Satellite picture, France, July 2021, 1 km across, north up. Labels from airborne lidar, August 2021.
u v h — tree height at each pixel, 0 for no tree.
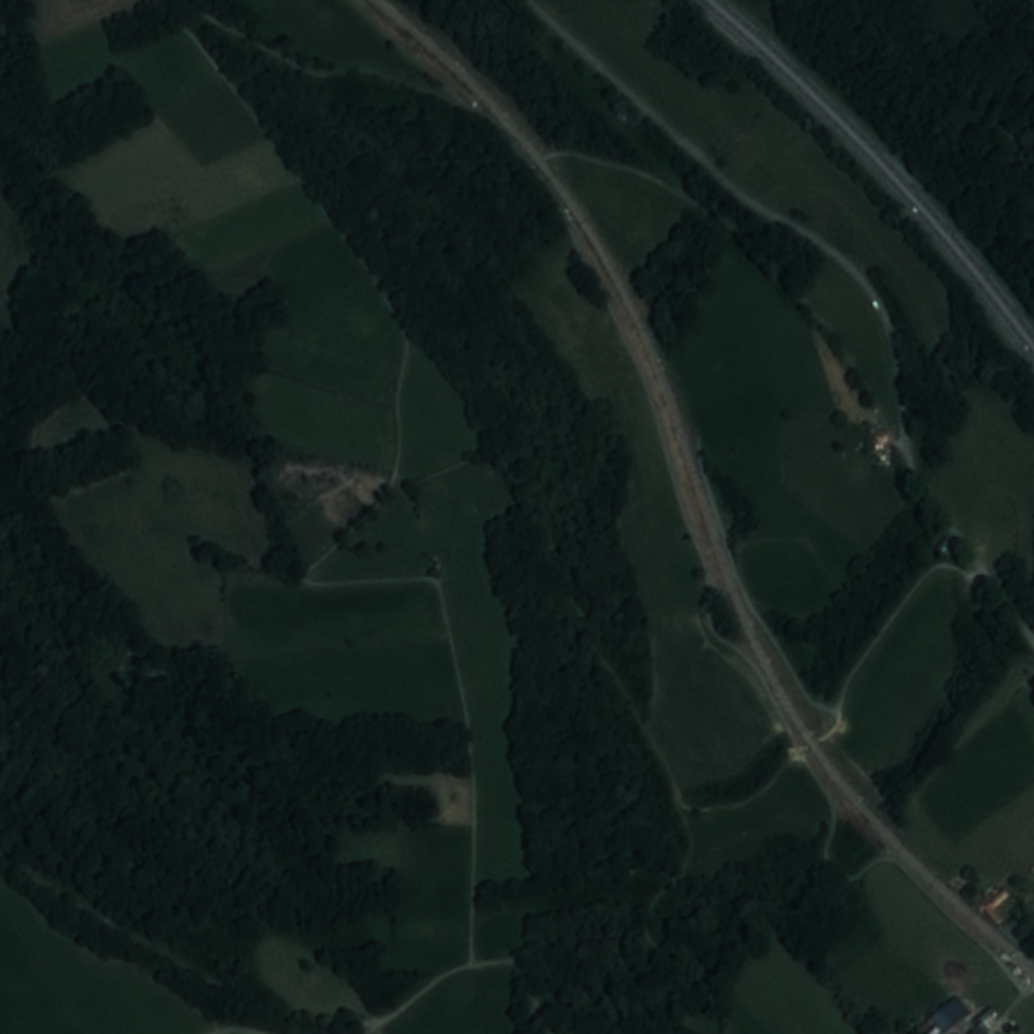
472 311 24
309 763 22
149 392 36
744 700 0
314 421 0
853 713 0
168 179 0
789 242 24
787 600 0
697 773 0
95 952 19
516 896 17
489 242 15
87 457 27
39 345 28
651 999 26
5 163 19
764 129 0
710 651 0
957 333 11
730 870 14
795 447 0
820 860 8
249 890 18
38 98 28
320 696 0
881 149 0
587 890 7
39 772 21
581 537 25
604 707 26
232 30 12
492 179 23
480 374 22
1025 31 11
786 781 0
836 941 27
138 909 26
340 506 0
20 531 15
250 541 0
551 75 19
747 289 0
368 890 19
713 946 13
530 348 18
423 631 0
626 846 23
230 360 27
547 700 25
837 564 0
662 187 0
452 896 0
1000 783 0
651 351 0
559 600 24
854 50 27
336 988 0
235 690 21
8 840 21
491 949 0
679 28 13
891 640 0
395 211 18
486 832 0
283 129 19
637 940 20
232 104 0
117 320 21
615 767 30
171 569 0
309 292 0
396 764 19
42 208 28
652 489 0
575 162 0
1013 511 0
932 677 0
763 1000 0
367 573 0
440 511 0
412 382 0
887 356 0
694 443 0
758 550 0
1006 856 0
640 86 0
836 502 0
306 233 0
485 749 0
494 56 23
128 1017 0
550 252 8
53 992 0
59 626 24
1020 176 25
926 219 0
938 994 0
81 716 23
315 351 0
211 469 0
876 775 10
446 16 18
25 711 22
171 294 33
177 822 20
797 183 0
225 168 0
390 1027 0
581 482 20
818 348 0
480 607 0
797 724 0
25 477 20
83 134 27
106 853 29
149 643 22
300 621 0
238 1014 19
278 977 0
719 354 0
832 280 0
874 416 0
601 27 0
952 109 27
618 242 0
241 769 19
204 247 0
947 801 0
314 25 0
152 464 0
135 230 0
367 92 7
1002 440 0
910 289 0
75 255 22
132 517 0
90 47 0
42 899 21
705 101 0
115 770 24
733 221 8
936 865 0
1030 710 0
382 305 0
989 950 0
